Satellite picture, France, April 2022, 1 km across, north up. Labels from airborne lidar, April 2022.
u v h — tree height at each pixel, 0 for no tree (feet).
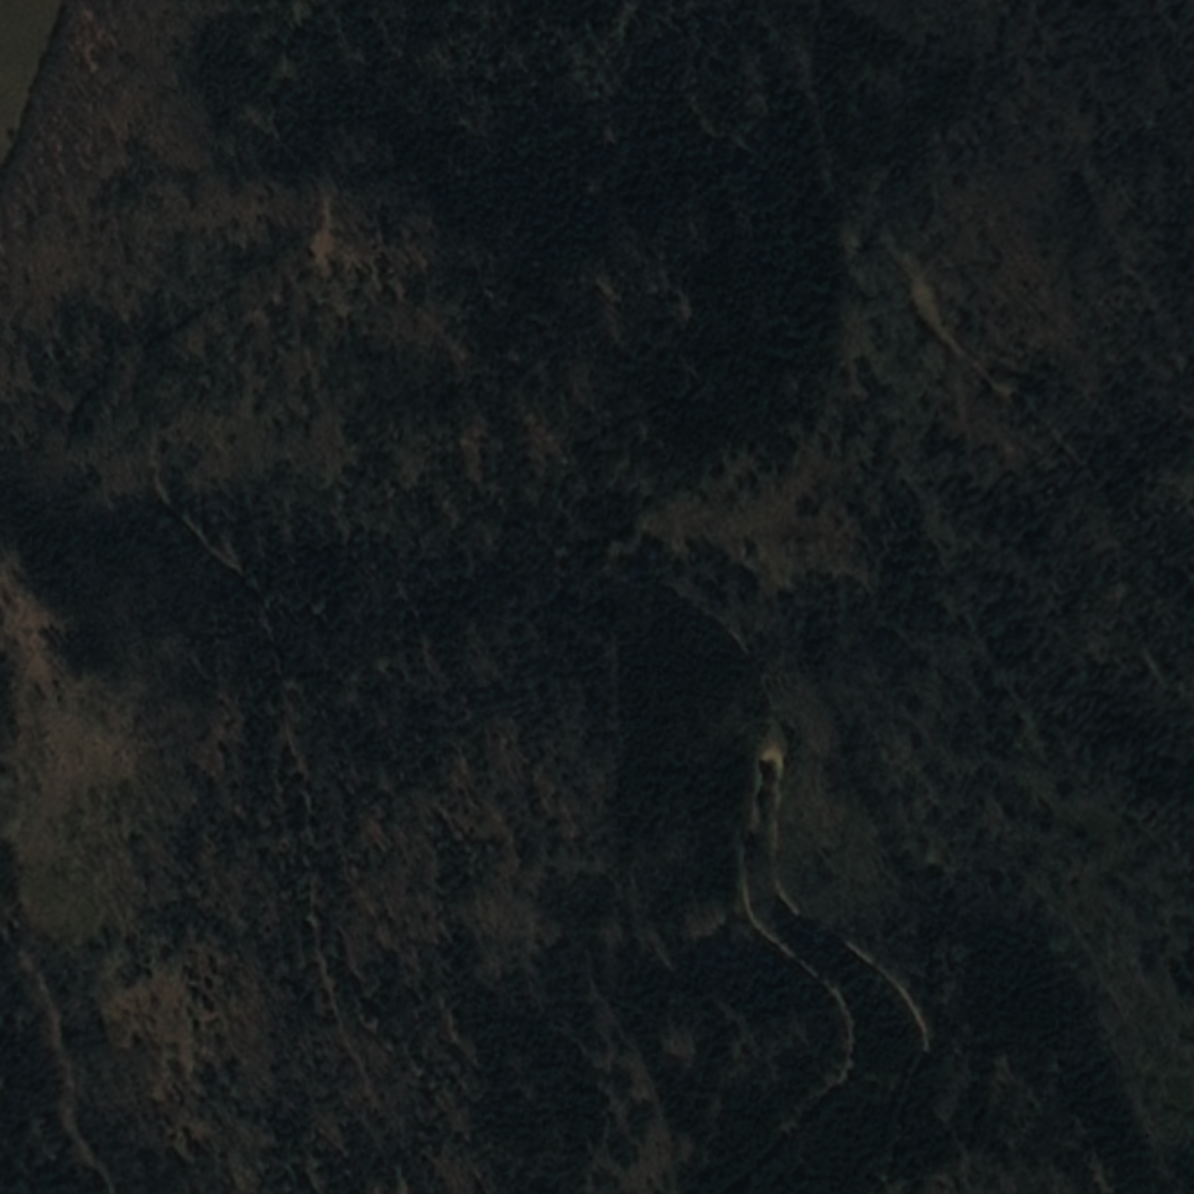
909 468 112
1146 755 36
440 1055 106
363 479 89
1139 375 123
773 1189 83
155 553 85
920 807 68
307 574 81
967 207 100
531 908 87
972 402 41
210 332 63
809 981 42
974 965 39
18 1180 90
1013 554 97
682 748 59
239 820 86
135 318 69
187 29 70
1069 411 88
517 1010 63
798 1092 77
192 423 76
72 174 75
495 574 116
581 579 120
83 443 65
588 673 102
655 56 100
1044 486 104
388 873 94
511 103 67
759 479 78
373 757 94
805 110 107
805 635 64
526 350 87
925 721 72
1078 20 96
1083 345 84
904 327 108
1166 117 87
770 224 104
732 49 59
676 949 66
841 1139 71
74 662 75
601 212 100
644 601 49
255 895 93
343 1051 89
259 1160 80
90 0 67
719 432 84
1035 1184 55
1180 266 86
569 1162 73
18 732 64
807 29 80
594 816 101
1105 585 68
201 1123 49
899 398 109
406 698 81
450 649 93
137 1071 53
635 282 49
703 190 71
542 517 93
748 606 45
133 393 73
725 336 85
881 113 105
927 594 90
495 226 79
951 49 79
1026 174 101
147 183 62
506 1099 55
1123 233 71
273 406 94
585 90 73
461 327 83
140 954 55
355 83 67
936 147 88
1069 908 67
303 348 73
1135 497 104
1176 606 105
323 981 86
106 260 57
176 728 85
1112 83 90
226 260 72
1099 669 104
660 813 66
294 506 84
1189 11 99
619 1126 69
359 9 80
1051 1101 56
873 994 80
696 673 65
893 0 101
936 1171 44
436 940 90
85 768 0
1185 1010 60
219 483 91
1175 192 93
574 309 82
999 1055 58
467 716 99
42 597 61
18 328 70
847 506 50
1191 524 97
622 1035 46
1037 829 80
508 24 67
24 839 0
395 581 101
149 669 76
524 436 93
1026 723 99
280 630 94
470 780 104
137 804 59
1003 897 76
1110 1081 80
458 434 81
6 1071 87
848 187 75
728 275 73
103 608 76
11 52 0
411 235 65
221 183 56
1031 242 91
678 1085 72
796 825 64
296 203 53
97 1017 60
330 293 29
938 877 78
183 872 83
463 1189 88
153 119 52
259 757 82
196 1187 72
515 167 87
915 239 85
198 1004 43
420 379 88
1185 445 99
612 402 85
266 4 51
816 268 114
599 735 106
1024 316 97
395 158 67
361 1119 84
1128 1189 75
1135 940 79
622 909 57
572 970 60
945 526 94
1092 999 77
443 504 106
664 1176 51
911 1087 45
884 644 98
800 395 50
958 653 83
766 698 51
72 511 73
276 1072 90
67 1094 71
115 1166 67
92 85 71
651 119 107
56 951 71
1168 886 88
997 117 92
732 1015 58
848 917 59
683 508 28
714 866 80
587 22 61
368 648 81
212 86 60
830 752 43
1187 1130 65
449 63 70
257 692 91
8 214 65
